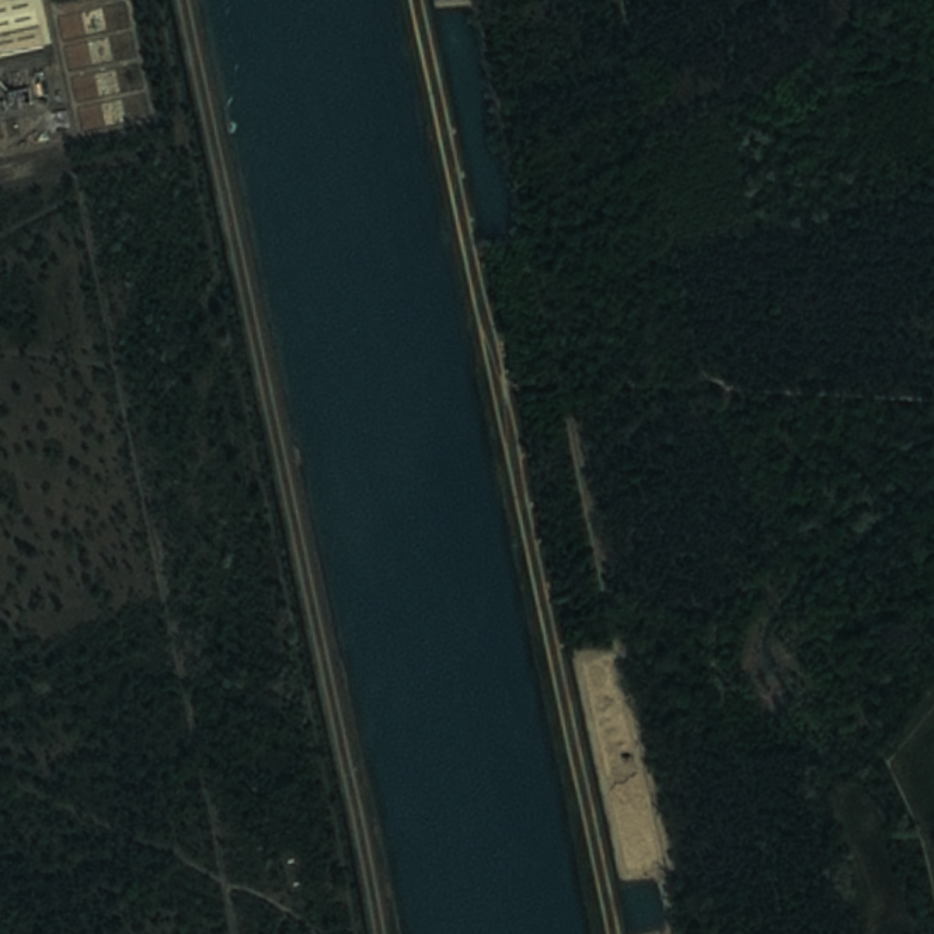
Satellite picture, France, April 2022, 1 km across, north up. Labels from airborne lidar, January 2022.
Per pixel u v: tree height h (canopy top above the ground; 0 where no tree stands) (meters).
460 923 0
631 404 19
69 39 0
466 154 0
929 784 0
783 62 18
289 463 0
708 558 18
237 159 0
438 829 0
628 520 18
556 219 21
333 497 0
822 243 24
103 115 0
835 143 19
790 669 31
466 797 0
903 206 24
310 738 11
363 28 0
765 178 25
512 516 0
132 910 6
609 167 21
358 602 0
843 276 23
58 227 0
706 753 20
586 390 22
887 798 6
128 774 14
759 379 19
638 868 0
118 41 0
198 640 18
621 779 0
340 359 0
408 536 0
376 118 0
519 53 15
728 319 20
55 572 0
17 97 0
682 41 23
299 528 0
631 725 0
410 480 0
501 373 0
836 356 16
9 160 0
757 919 17
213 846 12
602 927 0
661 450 20
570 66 18
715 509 16
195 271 17
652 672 25
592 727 0
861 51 17
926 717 0
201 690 13
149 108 0
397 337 0
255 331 0
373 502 0
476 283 0
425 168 0
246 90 0
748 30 16
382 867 0
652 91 22
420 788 0
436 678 0
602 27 17
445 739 0
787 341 17
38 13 0
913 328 15
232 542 13
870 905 0
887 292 23
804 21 19
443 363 0
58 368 16
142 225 13
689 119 22
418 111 0
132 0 0
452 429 0
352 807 0
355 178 0
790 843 18
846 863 28
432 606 0
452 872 0
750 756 21
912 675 17
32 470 0
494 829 0
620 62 11
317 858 7
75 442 0
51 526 0
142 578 0
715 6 21
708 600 18
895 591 21
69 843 14
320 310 0
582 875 0
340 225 0
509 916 0
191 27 0
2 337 0
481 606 0
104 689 15
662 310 21
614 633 18
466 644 0
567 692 0
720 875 21
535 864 0
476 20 12
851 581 22
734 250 22
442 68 0
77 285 0
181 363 8
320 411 0
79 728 12
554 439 15
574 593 19
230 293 9
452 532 0
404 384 0
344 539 0
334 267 0
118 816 12
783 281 20
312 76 0
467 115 0
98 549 0
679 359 18
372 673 0
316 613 0
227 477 0
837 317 22
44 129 0
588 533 15
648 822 0
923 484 24
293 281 0
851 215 16
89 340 0
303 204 0
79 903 9
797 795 18
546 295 22
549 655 0
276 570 0
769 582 21
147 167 16
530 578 0
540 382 16
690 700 22
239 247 0
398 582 0
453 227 0
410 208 0
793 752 21
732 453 21
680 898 24
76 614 0
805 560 23
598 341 6
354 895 7
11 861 13
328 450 0
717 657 20
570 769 0
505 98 20
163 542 0
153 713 18
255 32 0
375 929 0
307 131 0
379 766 0
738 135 8
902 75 22
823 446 19
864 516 22
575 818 0
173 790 17
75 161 19
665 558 20
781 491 23
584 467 0
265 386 0
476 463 0
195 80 0
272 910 7
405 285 0
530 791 0
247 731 19
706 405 21
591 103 23
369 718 0
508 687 0
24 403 0
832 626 27
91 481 12
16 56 0
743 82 18
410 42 0
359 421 0
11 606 0
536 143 22
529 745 0
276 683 24
